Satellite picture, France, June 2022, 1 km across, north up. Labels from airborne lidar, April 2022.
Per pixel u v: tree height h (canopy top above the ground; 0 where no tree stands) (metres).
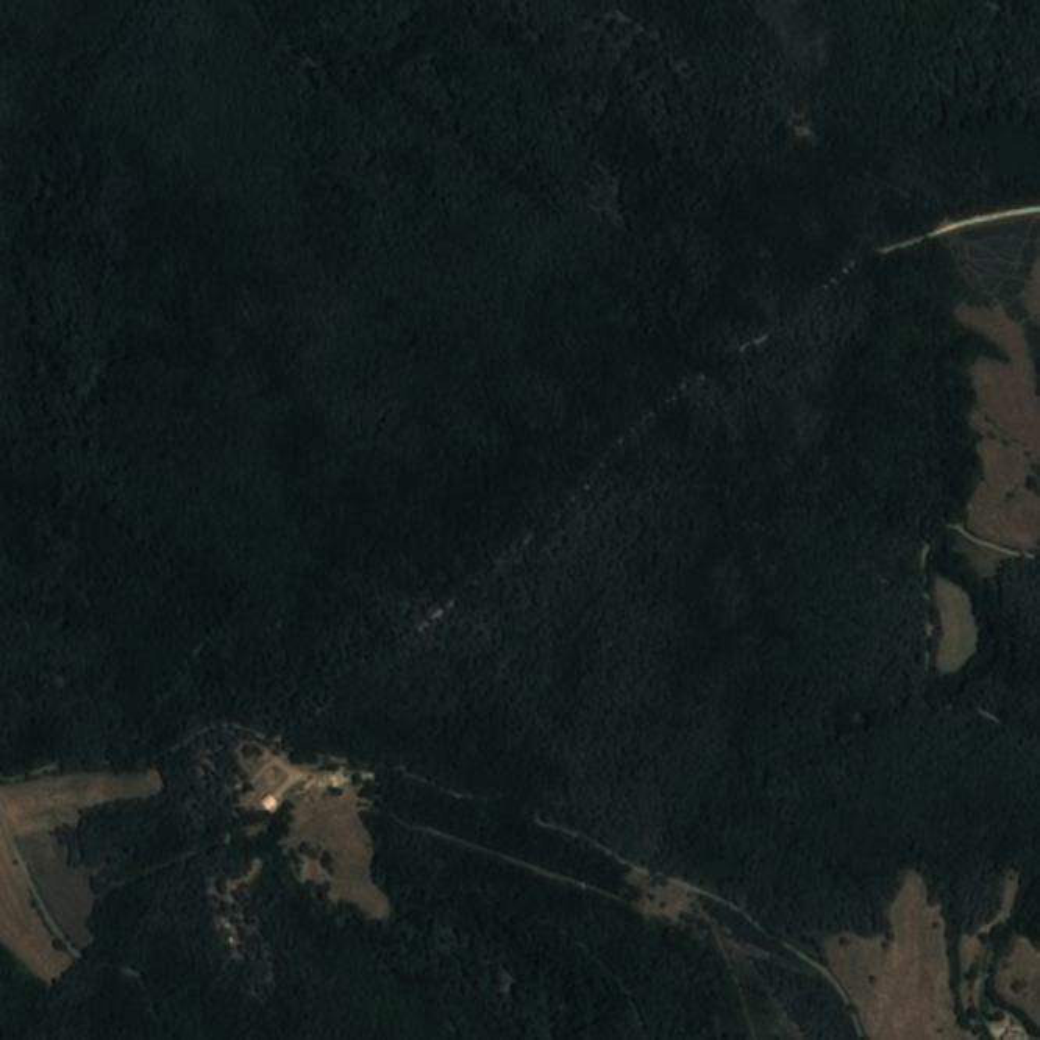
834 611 27
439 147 22
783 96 6
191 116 15
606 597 16
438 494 15
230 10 21
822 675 24
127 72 11
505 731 7
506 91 19
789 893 8
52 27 8
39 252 11
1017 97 10
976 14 15
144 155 15
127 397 19
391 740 13
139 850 13
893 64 20
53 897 0
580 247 17
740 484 15
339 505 19
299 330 15
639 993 15
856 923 10
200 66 17
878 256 9
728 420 18
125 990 17
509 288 17
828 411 8
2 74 15
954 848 13
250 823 15
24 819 0
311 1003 10
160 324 18
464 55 13
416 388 21
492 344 16
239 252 14
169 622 6
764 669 15
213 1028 13
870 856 17
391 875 20
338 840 0
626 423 10
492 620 15
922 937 0
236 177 17
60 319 22
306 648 13
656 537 12
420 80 22
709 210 12
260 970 12
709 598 9
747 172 11
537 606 14
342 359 16
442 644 12
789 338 14
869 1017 0
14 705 19
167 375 18
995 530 0
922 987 0
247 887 11
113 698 20
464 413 17
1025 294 0
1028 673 19
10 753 14
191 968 12
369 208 17
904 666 18
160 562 18
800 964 7
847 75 11
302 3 20
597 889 13
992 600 18
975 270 0
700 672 11
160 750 10
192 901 18
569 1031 8
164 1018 16
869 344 16
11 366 16
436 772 12
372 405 19
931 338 17
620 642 16
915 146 12
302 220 21
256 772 0
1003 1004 9
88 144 19
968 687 17
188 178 12
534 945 12
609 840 14
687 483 16
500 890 13
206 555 20
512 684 13
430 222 18
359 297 19
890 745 16
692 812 19
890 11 13
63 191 17
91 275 15
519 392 15
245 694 13
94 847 14
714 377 13
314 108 22
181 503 22
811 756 19
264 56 21
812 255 6
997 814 17
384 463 17
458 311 20
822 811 13
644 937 14
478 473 14
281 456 18
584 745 11
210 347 15
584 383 12
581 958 15
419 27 19
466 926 24
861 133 6
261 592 19
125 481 21
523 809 13
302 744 16
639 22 16
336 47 20
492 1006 16
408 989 18
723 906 8
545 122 17
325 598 14
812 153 7
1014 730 14
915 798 21
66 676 19
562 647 9
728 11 12
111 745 11
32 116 17
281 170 18
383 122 17
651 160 7
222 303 15
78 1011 14
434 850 18
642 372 9
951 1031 0
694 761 16
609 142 11
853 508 14
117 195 17
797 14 6
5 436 13
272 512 17
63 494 22
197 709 7
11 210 19
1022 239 0
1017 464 0
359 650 15
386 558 13
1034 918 15
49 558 19
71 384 22
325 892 8
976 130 13
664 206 9
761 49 12
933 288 8
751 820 17
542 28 14
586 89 9
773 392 14
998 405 0
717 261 15
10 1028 15
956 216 6
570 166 18
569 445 13
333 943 13
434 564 13
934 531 9
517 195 18
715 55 14
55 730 14
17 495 23
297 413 15
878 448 19
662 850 7
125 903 12
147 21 15
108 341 16
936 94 19
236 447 19
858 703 17
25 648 19
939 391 16
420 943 20
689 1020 13
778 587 17
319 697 14
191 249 15
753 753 22
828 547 20
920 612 15
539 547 8
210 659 9
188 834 14
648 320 12
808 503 13
